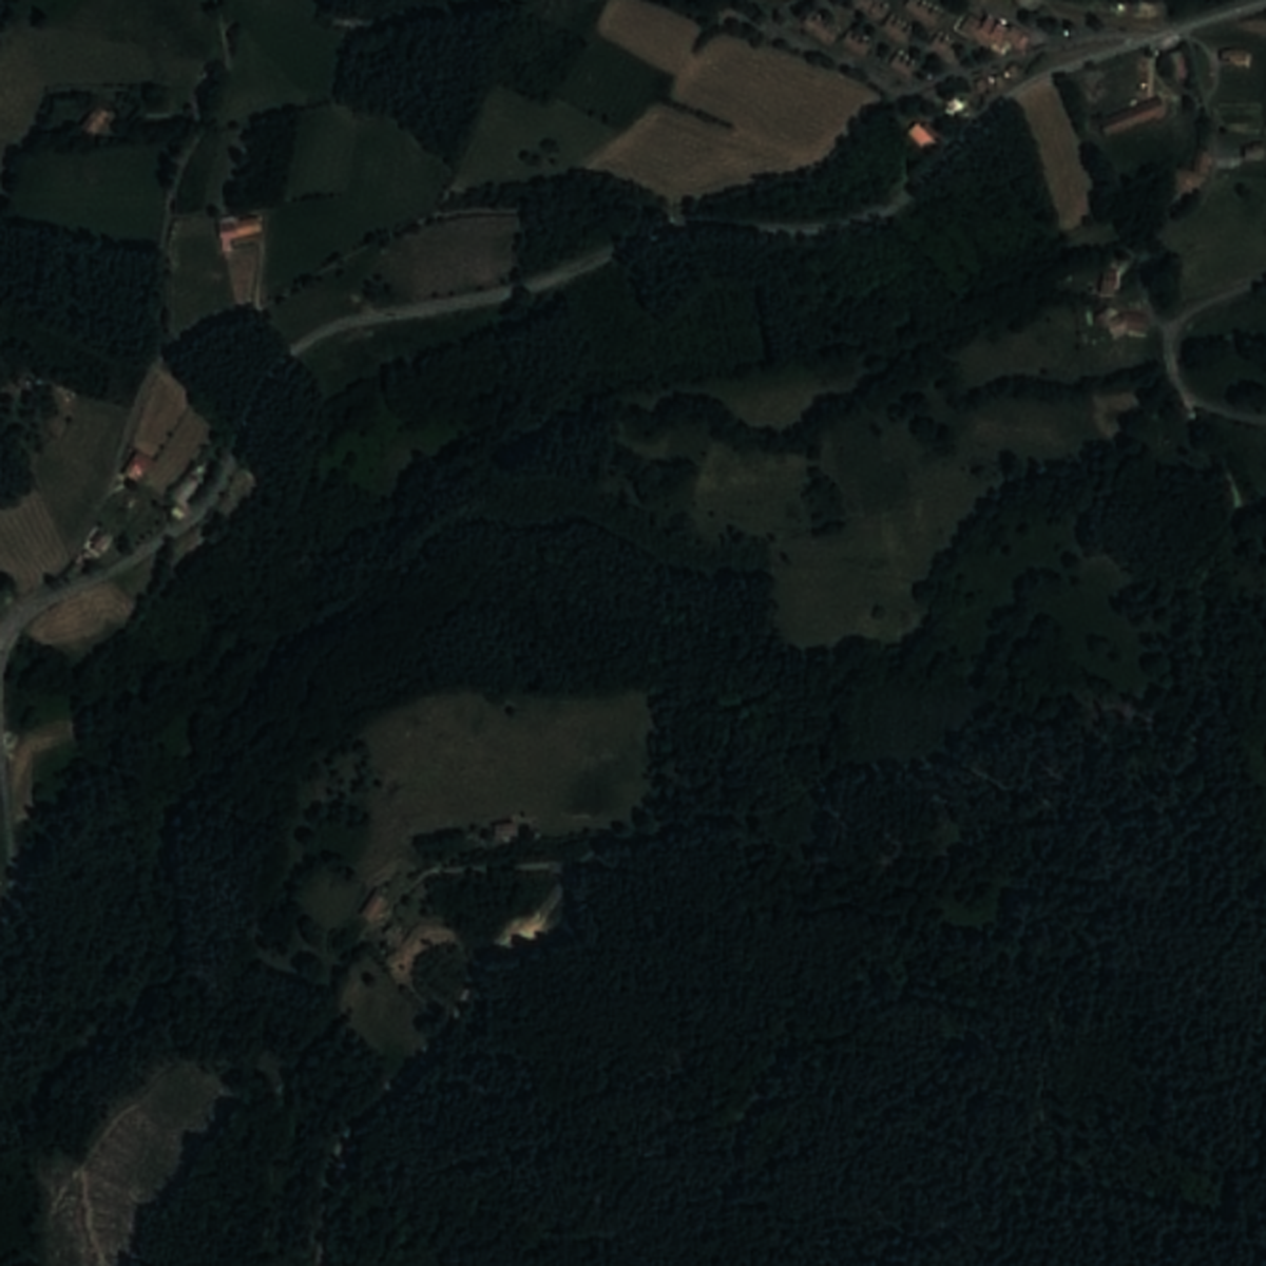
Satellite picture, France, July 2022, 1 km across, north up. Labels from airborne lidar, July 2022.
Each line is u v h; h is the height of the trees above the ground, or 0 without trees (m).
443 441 0
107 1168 0
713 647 24
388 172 0
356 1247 18
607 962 20
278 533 25
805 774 17
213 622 7
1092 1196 25
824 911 22
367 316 0
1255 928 30
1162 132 0
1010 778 27
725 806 21
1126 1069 12
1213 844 22
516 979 24
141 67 0
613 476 7
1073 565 20
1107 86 0
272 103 0
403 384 27
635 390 6
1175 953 32
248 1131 14
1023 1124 27
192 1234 16
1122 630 0
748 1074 20
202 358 23
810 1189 23
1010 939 22
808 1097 23
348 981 11
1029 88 0
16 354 17
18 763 0
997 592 0
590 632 23
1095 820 31
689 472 18
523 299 17
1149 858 32
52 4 0
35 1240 21
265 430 26
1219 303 0
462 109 24
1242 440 0
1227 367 0
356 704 18
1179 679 21
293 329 0
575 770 0
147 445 0
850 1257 18
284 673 32
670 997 20
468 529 19
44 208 0
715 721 20
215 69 16
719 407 16
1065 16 0
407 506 20
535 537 21
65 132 12
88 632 0
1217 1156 28
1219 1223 26
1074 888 21
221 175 0
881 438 16
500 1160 25
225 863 37
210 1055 18
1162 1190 6
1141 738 12
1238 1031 25
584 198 14
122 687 7
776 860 16
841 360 20
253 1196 19
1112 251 8
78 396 6
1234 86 0
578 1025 19
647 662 21
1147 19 0
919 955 11
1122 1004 27
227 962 29
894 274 15
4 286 16
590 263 0
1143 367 8
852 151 16
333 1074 18
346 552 20
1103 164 29
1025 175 21
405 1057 0
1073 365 0
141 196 0
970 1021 31
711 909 18
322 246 0
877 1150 27
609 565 20
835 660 13
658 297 27
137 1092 21
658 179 0
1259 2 0
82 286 26
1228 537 14
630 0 0
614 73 0
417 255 0
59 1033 18
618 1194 21
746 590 21
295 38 0
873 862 19
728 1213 29
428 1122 20
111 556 0
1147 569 21
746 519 0
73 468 0
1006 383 15
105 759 6
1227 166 0
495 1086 26
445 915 6
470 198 7
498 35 22
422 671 18
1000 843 19
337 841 0
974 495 0
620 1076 18
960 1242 30
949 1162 31
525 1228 16
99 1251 0
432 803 0
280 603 19
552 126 0
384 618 28
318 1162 17
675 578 20
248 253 0
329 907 0
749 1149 22
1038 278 11
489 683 30
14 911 27
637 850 25
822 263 16
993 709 18
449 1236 18
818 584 0
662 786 17
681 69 0
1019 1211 27
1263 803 21
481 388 19
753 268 24
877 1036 21
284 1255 12
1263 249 0
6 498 16
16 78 0
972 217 7
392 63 21
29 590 0
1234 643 19
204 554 18
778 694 22
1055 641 22
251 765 21
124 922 31
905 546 0
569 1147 23
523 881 6
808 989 20
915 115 17
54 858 30
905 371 22
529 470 33
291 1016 30
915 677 13
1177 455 0
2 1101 7
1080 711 26
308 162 0
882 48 12
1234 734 25
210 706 14
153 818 6
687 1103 19
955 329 12
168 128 16
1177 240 0
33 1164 14
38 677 13
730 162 0
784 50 9
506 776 0
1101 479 20
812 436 16
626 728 0
